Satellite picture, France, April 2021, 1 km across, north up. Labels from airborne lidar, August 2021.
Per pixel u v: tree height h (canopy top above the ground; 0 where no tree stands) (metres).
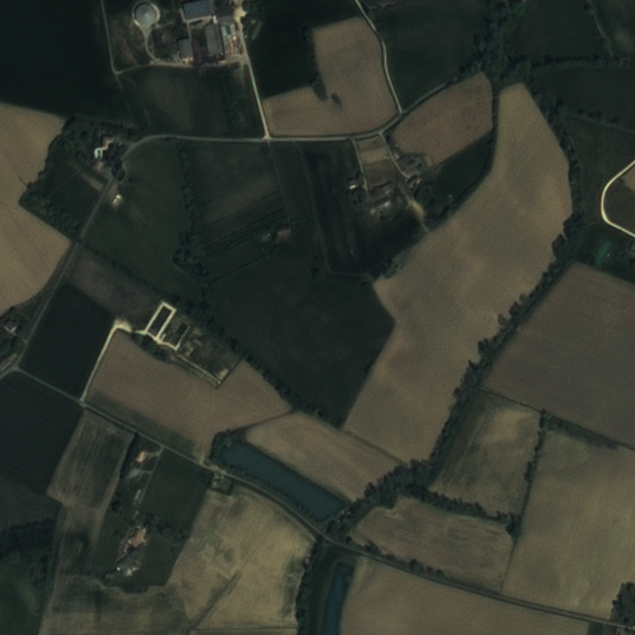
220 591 0
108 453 0
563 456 0
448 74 0
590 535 0
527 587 0
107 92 0
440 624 0
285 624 0
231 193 0
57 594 0
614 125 10
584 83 0
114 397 0
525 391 0
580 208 10
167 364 0
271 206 0
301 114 0
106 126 9
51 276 0
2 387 0
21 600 0
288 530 0
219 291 0
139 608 0
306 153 0
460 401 20
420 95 0
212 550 0
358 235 0
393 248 0
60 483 0
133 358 0
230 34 0
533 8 0
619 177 0
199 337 0
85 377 0
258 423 0
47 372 0
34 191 8
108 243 0
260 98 0
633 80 0
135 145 0
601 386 0
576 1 0
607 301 0
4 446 0
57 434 0
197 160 0
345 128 0
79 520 0
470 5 0
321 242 0
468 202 0
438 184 0
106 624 0
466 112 0
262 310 0
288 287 0
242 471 10
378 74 0
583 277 0
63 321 0
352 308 0
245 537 0
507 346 0
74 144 13
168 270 0
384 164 0
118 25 0
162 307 0
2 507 0
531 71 15
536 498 0
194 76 0
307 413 21
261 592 0
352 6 0
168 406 0
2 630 0
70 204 0
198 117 0
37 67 0
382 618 0
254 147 0
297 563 0
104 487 0
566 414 0
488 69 30
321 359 0
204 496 0
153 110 0
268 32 0
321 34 0
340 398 0
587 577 0
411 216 0
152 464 0
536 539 0
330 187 0
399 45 0
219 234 0
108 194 0
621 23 0
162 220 0
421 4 0
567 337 0
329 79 0
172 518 0
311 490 0
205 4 0
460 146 0
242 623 0
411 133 0
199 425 0
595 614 0
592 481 0
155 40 0
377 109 0
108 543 0
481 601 0
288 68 0
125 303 0
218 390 0
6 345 7
